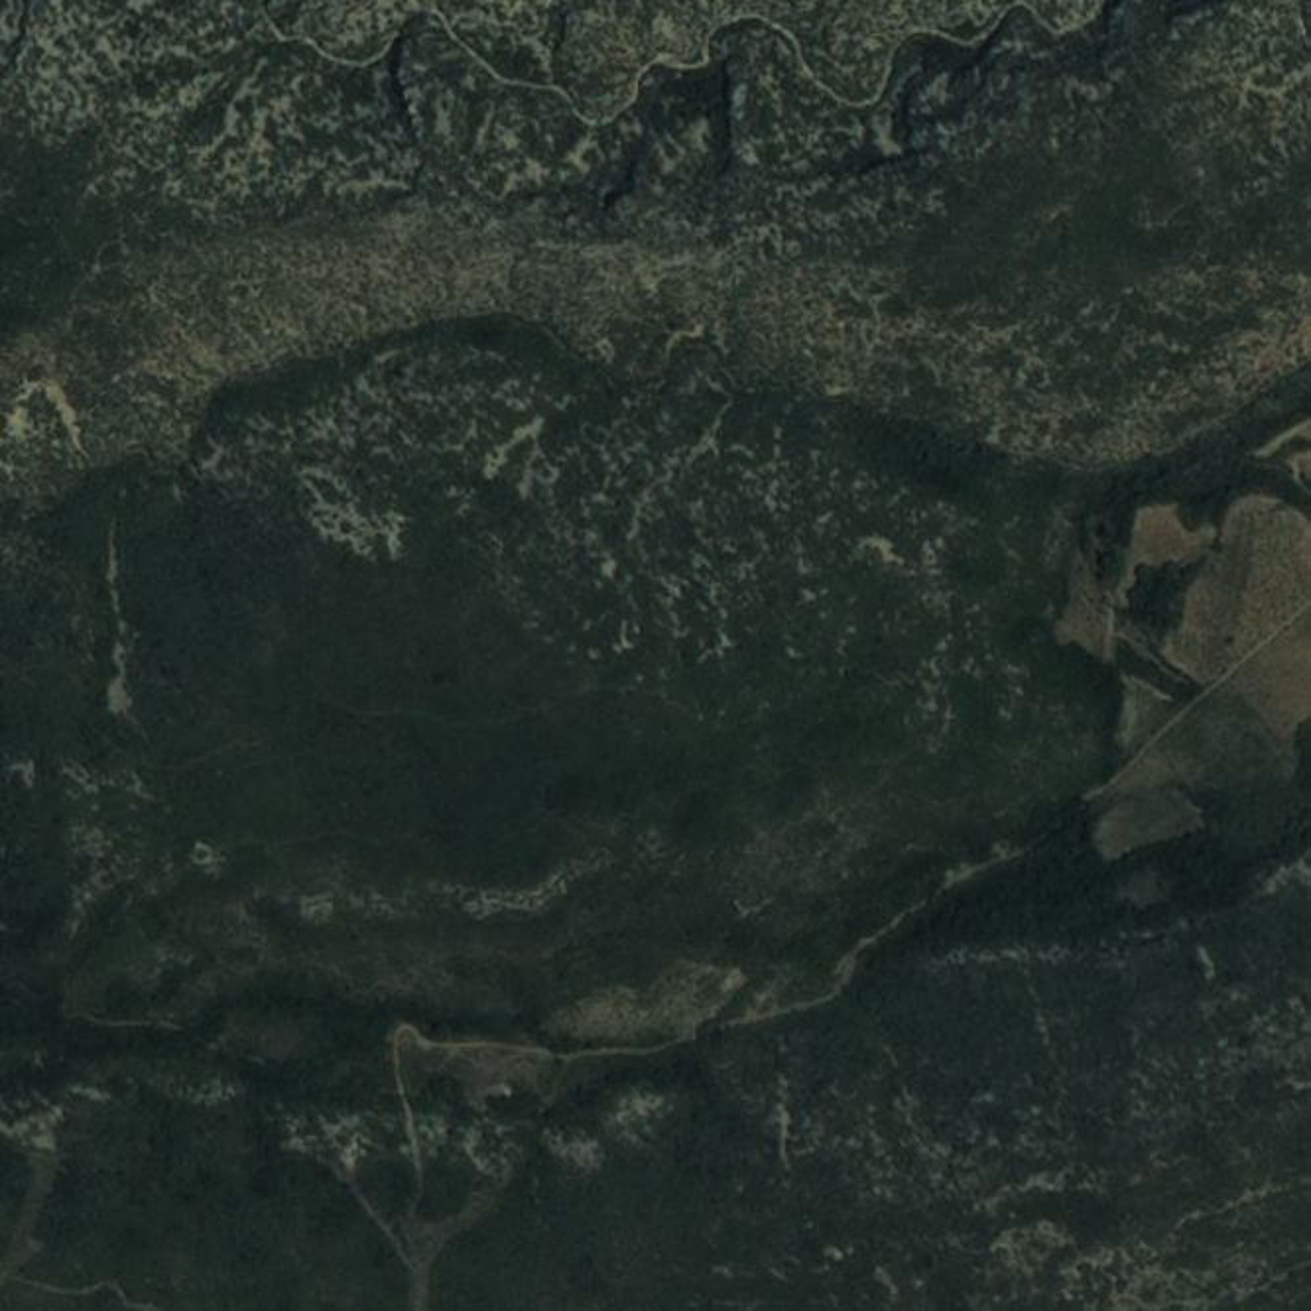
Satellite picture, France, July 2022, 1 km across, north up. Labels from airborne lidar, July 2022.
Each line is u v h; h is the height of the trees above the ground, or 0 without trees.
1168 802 0
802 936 6
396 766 0
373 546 0
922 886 6
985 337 0
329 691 0
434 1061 0
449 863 0
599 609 0
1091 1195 0
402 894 0
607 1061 7
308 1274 0
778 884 0
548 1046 7
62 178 0
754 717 0
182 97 0
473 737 0
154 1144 7
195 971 6
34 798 0
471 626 0
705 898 0
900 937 10
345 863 0
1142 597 6
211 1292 0
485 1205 0
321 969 0
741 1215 0
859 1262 0
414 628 0
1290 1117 0
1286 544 0
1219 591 0
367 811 0
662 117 8
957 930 6
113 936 8
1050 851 8
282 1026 0
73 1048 6
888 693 0
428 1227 0
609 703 0
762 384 6
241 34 6
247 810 0
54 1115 0
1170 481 10
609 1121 0
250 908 7
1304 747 9
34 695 0
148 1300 0
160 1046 7
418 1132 0
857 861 6
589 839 0
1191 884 7
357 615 0
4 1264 0
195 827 0
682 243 0
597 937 5
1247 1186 0
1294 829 8
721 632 0
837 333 0
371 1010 7
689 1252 0
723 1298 0
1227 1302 0
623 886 0
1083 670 6
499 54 8
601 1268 0
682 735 0
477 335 6
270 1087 7
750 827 0
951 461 9
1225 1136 0
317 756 0
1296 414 6
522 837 0
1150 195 0
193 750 0
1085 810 7
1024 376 0
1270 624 0
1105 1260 0
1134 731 0
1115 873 7
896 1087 7
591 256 7
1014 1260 0
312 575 0
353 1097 6
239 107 7
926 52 6
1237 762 0
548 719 0
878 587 0
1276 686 0
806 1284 0
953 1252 0
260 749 0
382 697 0
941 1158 0
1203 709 0
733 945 8
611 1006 0
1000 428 0
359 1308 0
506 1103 7
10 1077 5
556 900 0
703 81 6
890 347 0
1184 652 0
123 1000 6
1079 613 0
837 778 0
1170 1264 0
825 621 0
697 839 0
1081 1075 0
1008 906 8
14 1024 5
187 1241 0
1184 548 0
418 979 0
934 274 0
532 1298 0
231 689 0
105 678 7
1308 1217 0
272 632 0
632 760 0
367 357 5
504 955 0
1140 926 6
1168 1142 0
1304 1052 0
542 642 0
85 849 0
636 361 0
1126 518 8
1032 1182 0
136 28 6
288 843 0
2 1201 0
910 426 6
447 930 0
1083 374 0
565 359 6
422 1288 0
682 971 0
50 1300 0
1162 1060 0
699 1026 7
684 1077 6
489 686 0
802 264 0
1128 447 0
